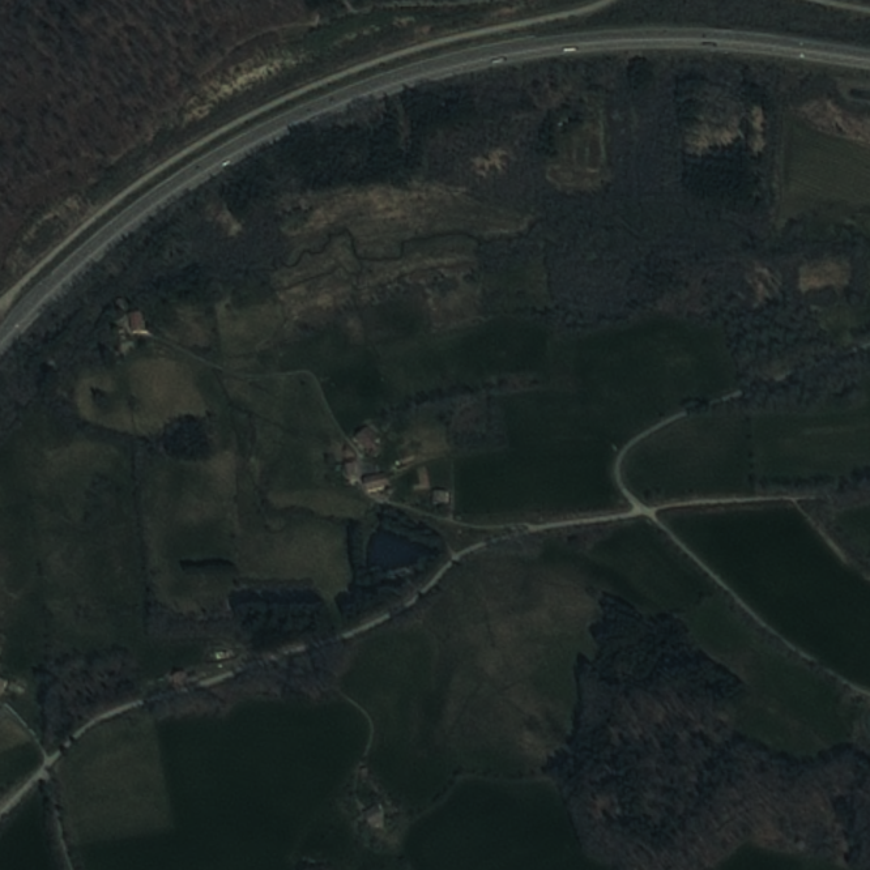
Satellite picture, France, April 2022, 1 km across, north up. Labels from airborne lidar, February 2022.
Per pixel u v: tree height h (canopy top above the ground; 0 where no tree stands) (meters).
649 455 0
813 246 10
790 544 0
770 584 0
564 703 0
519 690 0
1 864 0
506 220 0
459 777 11
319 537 0
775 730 0
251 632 24
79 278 0
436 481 0
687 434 0
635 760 20
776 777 32
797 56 0
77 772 0
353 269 0
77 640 0
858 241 13
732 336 6
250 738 0
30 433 0
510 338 0
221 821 0
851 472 0
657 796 24
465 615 0
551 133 8
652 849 24
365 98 0
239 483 0
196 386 0
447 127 22
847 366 18
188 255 19
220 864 0
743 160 19
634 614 23
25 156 29
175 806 0
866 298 7
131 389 0
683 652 12
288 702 14
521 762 0
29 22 29
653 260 12
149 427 0
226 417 0
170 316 0
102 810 0
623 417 0
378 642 0
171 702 21
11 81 26
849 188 0
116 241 0
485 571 0
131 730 0
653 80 17
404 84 0
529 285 0
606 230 12
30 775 0
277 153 20
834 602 0
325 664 31
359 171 15
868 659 0
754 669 0
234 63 9
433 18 8
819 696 0
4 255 6
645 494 0
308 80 0
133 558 0
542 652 0
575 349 0
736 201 21
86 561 0
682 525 0
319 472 0
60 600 0
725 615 0
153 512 0
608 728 25
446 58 0
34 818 0
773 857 0
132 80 27
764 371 10
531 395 0
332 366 0
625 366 0
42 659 0
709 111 10
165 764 0
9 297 0
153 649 0
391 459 0
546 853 0
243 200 22
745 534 0
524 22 0
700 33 0
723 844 33
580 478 0
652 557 0
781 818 24
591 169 0
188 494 0
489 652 0
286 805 0
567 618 0
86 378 0
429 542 28
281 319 0
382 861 0
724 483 0
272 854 0
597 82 19
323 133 20
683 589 0
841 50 0
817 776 29
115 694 8
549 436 0
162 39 27
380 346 0
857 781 30
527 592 0
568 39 0
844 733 0
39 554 0
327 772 0
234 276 11
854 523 0
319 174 15
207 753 0
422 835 0
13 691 0
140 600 0
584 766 23
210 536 0
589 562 0
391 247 0
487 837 0
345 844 0
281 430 0
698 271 10
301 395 0
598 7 0
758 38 0
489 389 6
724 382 0
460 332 0
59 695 25
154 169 0
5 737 0
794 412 14
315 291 0
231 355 0
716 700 33
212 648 0
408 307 0
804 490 19
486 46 0
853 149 0
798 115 0
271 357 0
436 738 0
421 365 0
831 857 13
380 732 0
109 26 23
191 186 0
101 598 0
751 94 11
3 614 0
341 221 0
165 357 0
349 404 0
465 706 0
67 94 6
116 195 0
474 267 0
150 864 0
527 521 0
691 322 8
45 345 21
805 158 0
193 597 0
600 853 28
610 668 15
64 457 0
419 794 0
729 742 24
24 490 0
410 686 0
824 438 0
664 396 0
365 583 24
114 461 0
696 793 23
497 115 16
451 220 0
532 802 0
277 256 10
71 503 0
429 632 0
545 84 11
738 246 21
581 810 26
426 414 13
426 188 0
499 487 0
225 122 0
